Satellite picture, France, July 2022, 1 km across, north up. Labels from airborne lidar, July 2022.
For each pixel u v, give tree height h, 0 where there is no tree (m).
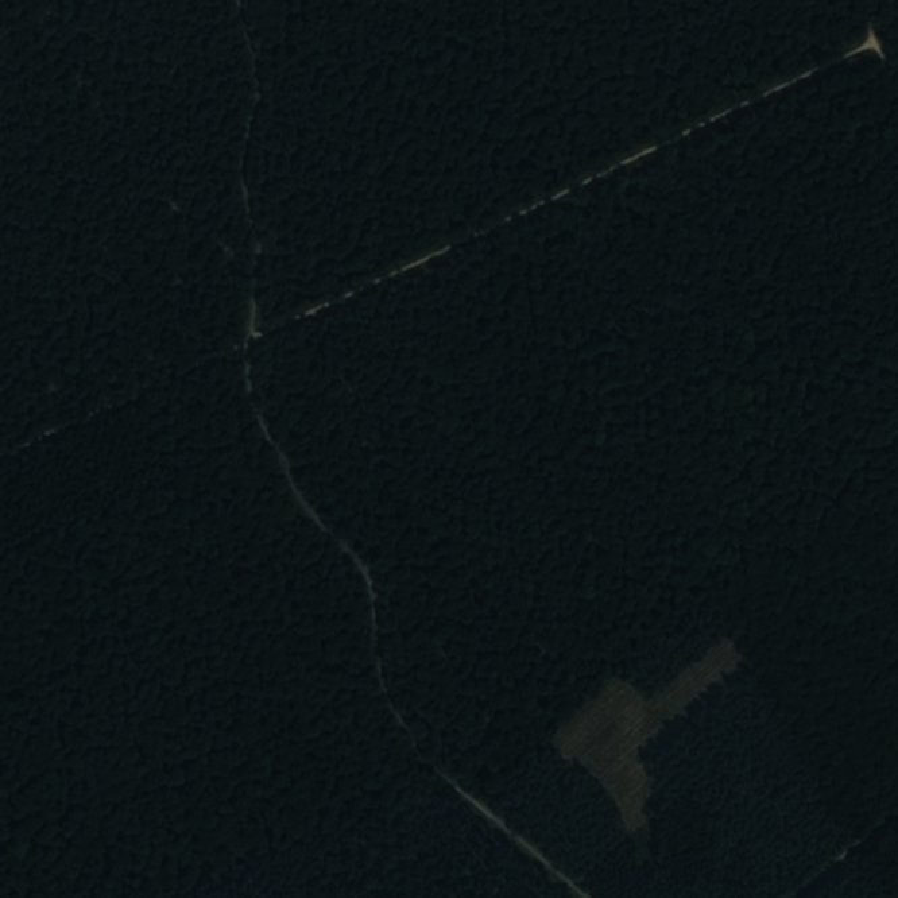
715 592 24
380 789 22
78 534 17
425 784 19
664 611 25
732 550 28
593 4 19
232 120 22
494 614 22
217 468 24
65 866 24
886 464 23
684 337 18
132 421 19
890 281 19
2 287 19
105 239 21
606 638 23
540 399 21
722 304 21
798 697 21
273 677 23
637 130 22
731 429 27
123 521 25
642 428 26
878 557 24
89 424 21
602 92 28
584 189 23
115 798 15
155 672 8
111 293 24
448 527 19
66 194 21
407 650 26
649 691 26
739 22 25
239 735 20
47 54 22
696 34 25
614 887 27
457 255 20
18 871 24
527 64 24
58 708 21
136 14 25
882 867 26
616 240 21
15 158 19
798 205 22
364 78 8
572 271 24
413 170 24
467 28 18
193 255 23
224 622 16
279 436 23
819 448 25
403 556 23
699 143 25
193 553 18
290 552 24
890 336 24
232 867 25
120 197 23
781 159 25
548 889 33
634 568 24
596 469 24
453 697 23
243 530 24
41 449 20
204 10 6
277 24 22
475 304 26
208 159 12
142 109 25
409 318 23
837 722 20
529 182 25
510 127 23
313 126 19
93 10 27
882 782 25
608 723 0
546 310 21
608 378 23
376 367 22
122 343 24
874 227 21
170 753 22
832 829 30
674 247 22
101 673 24
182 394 23
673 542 16
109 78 22
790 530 29
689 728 25
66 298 23
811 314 25
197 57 18
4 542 16
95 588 22
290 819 26
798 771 28
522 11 28
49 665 21
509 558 23
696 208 22
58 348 25
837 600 22
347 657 22
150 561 26
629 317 20
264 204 22
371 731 23
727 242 19
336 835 18
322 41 24
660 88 25
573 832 27
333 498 19
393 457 23
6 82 25
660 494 26
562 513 23
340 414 23
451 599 24
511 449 22
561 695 21
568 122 25
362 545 23
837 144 24
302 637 25
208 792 29
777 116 22
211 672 17
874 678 25
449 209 20
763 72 25
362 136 23
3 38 23
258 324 0
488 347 25
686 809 26
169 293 22
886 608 23
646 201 27
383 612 18
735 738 29
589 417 17
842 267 27
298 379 24
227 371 22
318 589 25
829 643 26
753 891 27
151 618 23
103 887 26
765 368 28
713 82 28
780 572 27
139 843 28
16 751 22
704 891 29
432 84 23
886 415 24
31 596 22
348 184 23
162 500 21
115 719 23
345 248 20
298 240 12
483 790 17
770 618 27
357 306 19
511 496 21
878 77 24
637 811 0
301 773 28
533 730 23
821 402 31
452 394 21
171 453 19
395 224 24
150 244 21
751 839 24
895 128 23
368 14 21
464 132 24
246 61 15
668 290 21
